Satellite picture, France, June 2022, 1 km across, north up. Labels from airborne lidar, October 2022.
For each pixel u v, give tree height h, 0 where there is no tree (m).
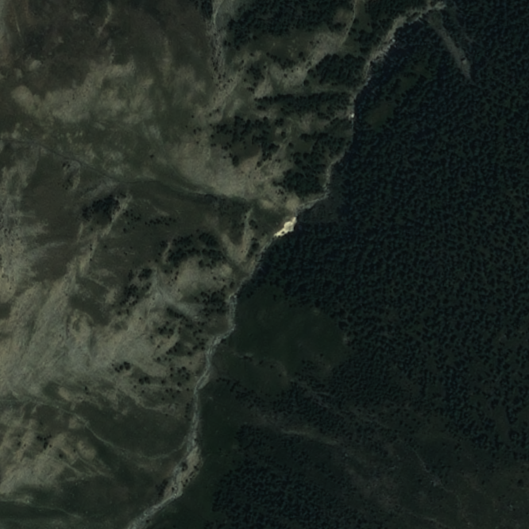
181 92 0
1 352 0
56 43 0
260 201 0
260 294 0
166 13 0
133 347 0
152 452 0
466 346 20
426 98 12
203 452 0
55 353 0
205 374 0
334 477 9
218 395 0
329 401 12
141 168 0
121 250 0
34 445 0
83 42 0
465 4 23
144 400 0
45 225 0
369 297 14
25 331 0
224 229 0
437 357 14
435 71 9
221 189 0
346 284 24
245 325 0
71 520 0
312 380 10
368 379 9
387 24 23
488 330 11
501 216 21
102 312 0
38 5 0
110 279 0
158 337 0
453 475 0
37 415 0
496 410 12
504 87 17
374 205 16
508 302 13
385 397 8
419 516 0
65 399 0
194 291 0
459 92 20
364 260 20
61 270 0
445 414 21
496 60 15
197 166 0
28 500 0
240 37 14
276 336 0
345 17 0
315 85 0
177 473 0
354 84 19
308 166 12
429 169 15
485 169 21
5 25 0
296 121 0
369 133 23
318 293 21
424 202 14
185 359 0
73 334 0
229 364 0
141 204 0
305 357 0
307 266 17
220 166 0
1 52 0
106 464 0
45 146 0
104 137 0
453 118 15
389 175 12
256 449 13
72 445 0
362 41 26
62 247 0
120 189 0
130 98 0
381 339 9
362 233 15
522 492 0
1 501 0
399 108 14
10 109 0
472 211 18
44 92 0
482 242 12
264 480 17
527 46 6
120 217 0
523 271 16
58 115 0
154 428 0
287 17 21
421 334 22
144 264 0
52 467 0
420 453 0
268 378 0
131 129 0
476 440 20
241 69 6
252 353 0
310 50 13
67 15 0
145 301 0
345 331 14
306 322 0
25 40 0
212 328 0
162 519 0
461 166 14
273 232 0
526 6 19
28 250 0
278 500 8
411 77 27
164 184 0
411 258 17
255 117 0
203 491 0
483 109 16
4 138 0
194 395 0
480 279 13
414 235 12
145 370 0
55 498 0
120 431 0
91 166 0
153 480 0
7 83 0
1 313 0
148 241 0
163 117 0
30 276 0
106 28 0
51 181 0
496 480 0
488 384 11
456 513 0
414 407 7
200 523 0
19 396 0
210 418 0
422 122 11
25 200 0
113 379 0
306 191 16
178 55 0
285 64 9
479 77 17
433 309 14
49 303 0
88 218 6
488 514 0
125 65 0
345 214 18
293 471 9
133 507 0
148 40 0
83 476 0
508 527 0
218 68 21
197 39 0
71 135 0
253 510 15
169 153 0
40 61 0
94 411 0
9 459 0
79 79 0
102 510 0
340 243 27
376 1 9
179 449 0
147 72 0
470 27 25
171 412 0
